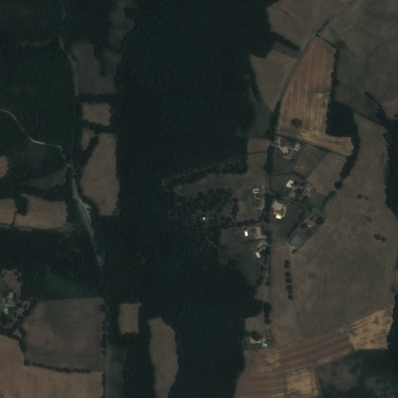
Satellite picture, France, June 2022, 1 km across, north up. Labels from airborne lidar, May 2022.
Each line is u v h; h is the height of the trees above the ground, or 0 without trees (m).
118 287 18
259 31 15
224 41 16
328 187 0
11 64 15
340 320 0
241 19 6
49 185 0
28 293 13
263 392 0
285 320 0
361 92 0
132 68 18
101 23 22
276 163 0
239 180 0
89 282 16
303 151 0
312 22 0
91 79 0
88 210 11
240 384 0
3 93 9
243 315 13
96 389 0
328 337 0
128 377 22
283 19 0
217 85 13
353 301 0
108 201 0
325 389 0
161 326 0
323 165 0
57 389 0
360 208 0
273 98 0
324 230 0
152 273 15
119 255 20
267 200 9
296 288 0
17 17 9
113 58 0
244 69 15
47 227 0
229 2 13
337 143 0
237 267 9
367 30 0
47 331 0
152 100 10
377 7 0
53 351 0
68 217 10
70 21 18
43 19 7
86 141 0
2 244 24
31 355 0
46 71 15
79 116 22
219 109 22
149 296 25
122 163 13
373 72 0
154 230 11
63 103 17
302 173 0
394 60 0
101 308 14
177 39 19
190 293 23
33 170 11
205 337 18
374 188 0
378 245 0
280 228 0
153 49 18
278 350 0
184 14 18
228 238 0
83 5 19
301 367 0
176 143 8
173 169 13
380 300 0
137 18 19
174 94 10
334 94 8
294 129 0
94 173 0
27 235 12
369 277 0
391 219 0
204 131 16
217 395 16
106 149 0
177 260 18
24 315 13
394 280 0
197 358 21
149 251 11
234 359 18
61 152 14
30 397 0
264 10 11
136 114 14
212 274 13
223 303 11
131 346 22
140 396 28
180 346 13
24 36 19
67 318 0
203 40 15
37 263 18
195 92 13
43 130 14
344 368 0
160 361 0
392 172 24
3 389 0
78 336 0
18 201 13
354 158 14
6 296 15
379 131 0
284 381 0
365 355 0
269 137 12
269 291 0
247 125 7
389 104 0
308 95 0
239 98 19
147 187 12
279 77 0
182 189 0
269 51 11
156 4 15
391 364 9
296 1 0
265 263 10
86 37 25
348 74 0
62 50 14
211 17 11
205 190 0
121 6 0
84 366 0
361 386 0
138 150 12
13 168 8
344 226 0
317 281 0
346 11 0
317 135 0
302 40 0
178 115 25
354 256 0
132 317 0
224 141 9
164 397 0
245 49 14
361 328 0
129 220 23
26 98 9
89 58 0
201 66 20
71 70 20
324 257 0
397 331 24
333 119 14
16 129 7
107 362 0
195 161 14
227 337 14
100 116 0
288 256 0
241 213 0
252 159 0
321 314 0
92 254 10
